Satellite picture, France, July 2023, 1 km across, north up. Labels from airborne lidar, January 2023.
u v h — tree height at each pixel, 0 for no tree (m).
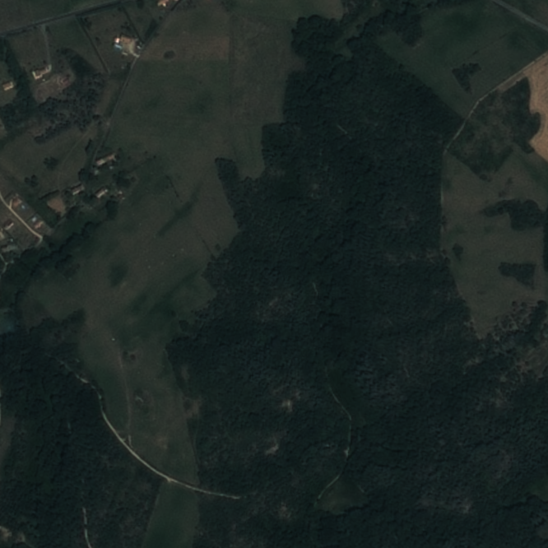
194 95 0
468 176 0
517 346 11
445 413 16
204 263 0
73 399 22
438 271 14
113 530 8
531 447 18
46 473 17
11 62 11
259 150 0
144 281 0
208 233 0
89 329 0
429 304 6
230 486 12
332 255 8
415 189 9
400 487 19
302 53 9
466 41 0
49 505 7
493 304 0
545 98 0
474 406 7
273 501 6
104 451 11
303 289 17
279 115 0
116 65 0
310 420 24
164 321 0
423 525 19
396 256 7
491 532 22
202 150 0
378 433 9
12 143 0
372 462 6
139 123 0
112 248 0
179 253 0
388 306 13
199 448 7
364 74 13
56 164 11
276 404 9
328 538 18
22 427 11
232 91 0
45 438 17
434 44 0
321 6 0
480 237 0
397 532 9
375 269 5
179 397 0
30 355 17
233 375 9
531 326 11
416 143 12
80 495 10
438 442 11
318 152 10
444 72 0
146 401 0
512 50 0
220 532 7
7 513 13
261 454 12
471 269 0
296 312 17
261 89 0
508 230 0
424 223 10
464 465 12
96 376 0
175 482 0
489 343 10
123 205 0
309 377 19
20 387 18
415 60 0
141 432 0
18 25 0
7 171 0
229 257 11
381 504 18
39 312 0
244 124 0
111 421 0
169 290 0
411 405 16
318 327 20
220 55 0
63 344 6
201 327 16
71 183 0
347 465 10
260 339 25
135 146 0
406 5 17
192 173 0
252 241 11
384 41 0
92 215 0
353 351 7
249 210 7
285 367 13
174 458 0
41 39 0
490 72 0
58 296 0
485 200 0
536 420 15
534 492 0
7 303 0
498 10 0
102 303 0
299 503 10
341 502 0
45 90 0
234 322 20
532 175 0
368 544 11
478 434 8
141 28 0
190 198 0
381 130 16
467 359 8
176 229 0
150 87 0
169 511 0
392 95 6
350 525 18
